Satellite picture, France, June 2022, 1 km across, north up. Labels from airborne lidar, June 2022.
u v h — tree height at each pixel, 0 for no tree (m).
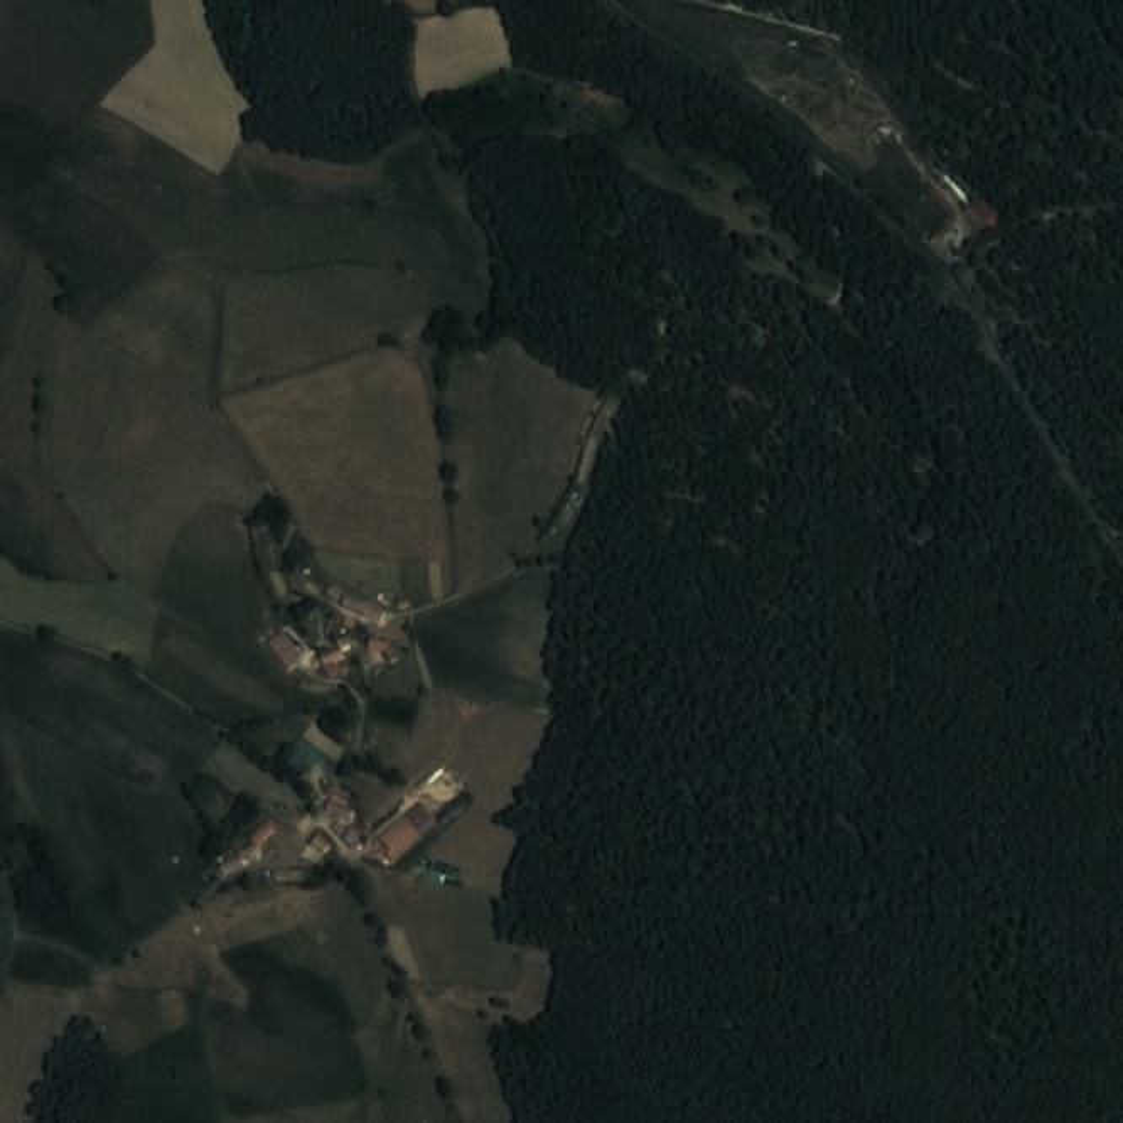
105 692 0
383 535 0
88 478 0
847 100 0
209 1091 0
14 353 0
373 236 0
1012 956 23
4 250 0
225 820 9
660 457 20
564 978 18
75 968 0
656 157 0
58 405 0
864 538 21
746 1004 24
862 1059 20
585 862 15
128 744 0
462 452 0
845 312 7
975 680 24
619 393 0
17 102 0
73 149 0
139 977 0
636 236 18
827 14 10
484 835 0
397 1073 0
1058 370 23
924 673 24
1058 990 23
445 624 0
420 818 0
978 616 20
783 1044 26
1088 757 26
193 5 0
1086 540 12
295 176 0
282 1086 0
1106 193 25
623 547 17
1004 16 28
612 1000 18
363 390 0
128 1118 0
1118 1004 21
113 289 0
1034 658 17
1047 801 23
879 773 22
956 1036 23
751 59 0
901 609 24
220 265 0
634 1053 23
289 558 13
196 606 0
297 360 0
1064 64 29
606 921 16
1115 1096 22
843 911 20
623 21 20
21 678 0
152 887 0
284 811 0
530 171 23
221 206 0
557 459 0
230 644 0
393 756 0
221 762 0
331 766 0
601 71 17
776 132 25
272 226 0
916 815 23
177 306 0
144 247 0
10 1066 0
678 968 23
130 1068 0
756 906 21
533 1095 18
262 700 0
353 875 12
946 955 25
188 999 0
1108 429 24
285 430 0
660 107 18
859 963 24
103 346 0
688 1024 17
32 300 0
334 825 0
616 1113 20
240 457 0
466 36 0
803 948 24
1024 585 23
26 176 0
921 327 27
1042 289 13
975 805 19
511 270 14
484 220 12
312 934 0
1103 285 11
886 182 0
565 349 18
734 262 22
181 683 0
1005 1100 21
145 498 0
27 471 0
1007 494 24
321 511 0
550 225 21
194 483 0
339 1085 0
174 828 0
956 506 26
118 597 0
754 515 18
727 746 19
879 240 18
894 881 22
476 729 0
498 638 0
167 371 0
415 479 0
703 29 0
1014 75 24
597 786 19
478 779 0
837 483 10
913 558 25
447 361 9
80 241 0
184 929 0
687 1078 13
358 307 0
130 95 0
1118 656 21
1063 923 25
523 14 20
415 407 0
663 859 12
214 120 0
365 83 20
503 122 0
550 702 10
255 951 0
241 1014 0
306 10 20
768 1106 21
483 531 0
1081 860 18
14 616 0
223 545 0
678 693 12
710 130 17
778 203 16
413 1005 0
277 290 0
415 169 0
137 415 0
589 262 17
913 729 20
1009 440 18
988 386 19
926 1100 22
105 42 0
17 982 0
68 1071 20
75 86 0
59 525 0
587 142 21
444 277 0
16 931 0
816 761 23
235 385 0
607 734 19
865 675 28
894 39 21
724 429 15
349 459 0
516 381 0
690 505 12
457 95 16
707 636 14
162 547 0
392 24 19
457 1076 0
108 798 0
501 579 0
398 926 0
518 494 0
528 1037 20
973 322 31
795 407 20
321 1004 0
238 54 15
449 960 0
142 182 0
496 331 16
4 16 0
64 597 0
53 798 0
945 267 0
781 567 21
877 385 21
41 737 0
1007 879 22
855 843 26
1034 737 19
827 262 20
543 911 25
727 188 0
